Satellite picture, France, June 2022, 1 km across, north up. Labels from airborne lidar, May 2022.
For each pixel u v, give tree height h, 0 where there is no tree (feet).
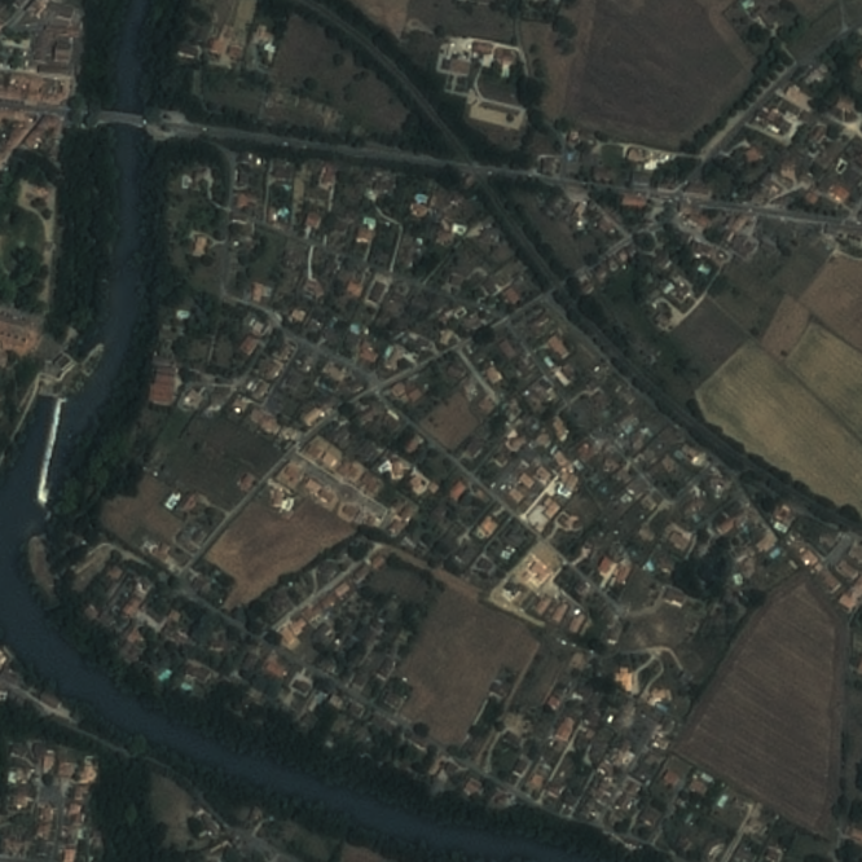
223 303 28
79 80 40
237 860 36
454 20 0
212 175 30
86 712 54
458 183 45
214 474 0
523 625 0
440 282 21
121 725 0
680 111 0
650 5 0
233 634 46
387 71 38
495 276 0
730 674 0
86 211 61
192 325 55
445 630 0
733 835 19
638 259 58
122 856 71
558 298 50
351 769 53
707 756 0
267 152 44
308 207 18
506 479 0
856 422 0
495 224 34
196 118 48
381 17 0
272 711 41
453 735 0
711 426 33
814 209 45
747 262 0
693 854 27
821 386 0
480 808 35
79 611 22
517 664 0
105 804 54
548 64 0
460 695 0
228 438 0
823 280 0
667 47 0
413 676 0
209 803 26
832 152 0
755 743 0
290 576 19
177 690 26
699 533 35
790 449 0
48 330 32
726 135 0
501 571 22
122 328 0
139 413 32
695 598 50
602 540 0
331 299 23
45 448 0
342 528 0
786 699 0
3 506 0
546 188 24
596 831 39
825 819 0
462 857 74
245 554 0
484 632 0
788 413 0
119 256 0
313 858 24
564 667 0
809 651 0
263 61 28
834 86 21
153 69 73
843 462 0
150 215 35
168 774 58
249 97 0
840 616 0
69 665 0
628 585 0
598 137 21
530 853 0
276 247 0
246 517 0
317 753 44
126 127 0
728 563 55
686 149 62
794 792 0
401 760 23
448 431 0
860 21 0
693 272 27
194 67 31
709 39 0
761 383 0
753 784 0
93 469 93
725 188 0
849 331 0
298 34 0
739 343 0
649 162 0
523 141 27
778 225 0
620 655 21
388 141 42
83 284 47
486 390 0
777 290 0
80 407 0
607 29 0
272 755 73
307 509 0
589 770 30
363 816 0
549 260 20
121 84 0
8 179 73
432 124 44
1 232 54
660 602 0
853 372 0
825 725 0
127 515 0
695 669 0
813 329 0
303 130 41
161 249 41
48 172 40
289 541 0
